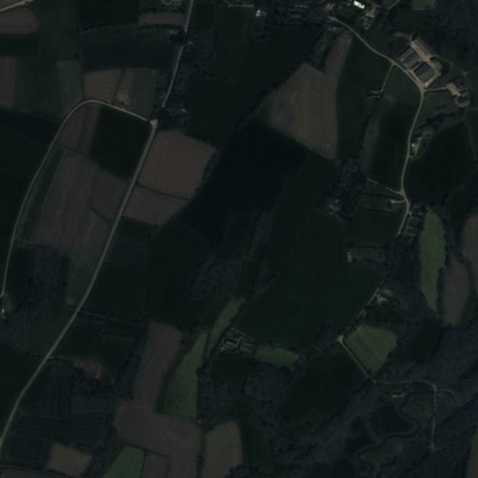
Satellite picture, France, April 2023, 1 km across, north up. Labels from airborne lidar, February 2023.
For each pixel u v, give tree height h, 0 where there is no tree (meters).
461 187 14
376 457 0
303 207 0
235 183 0
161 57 0
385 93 0
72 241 0
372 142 0
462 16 19
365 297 0
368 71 0
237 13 0
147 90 0
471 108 0
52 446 0
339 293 0
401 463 0
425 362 12
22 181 0
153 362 0
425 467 17
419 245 12
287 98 0
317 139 0
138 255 0
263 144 0
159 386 0
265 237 13
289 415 0
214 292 13
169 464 0
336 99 0
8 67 0
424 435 15
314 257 0
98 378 0
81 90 0
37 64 0
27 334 0
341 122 0
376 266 13
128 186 0
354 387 0
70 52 0
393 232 0
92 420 0
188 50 0
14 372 0
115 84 0
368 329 0
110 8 0
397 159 0
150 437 0
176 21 0
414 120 0
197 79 0
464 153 0
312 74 0
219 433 0
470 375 0
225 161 0
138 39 0
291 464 0
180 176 0
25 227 0
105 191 0
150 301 0
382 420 0
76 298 0
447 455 18
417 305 17
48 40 0
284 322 0
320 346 15
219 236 0
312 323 0
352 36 0
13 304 0
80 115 0
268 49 0
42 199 0
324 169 0
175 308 0
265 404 10
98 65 0
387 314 0
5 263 0
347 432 0
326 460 0
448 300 0
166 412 0
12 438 0
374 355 0
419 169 0
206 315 0
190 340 0
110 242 0
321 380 0
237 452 0
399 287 17
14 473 0
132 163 0
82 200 0
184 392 0
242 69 0
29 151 0
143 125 0
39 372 0
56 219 0
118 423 0
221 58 0
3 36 0
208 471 0
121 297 0
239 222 0
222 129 0
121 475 0
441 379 14
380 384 11
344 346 10
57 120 0
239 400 0
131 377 20
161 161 0
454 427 20
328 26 8
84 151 0
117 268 0
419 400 0
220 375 0
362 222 0
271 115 0
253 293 13
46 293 18
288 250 0
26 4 0
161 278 0
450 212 0
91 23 0
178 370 0
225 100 0
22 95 0
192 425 0
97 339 0
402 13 13
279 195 0
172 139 0
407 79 0
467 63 0
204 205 0
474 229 0
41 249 12
